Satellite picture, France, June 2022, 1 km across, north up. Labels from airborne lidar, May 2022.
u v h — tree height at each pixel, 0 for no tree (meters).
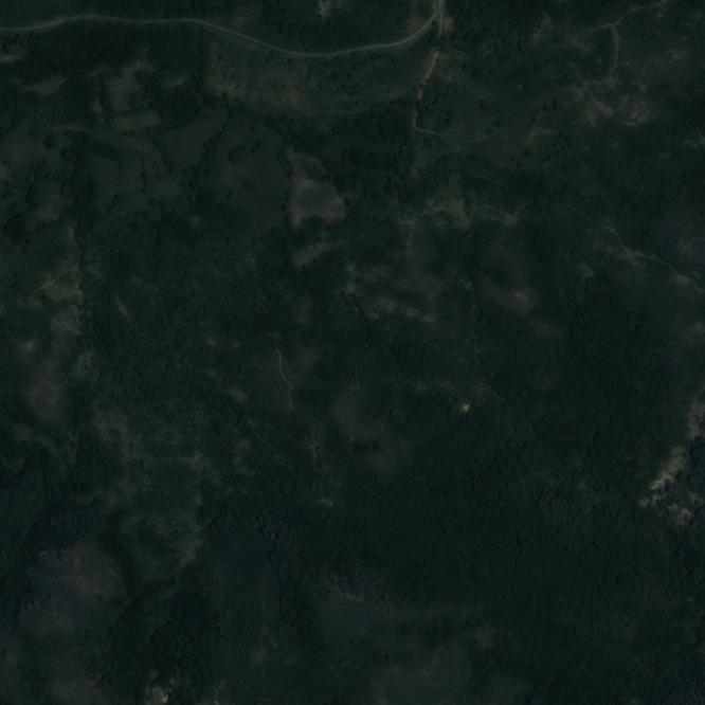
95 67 6
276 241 10
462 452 16
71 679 0
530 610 19
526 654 12
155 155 0
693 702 25
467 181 9
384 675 0
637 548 18
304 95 0
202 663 19
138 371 9
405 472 11
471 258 9
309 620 8
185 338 6
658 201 9
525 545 25
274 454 8
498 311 8
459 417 13
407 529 17
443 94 10
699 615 10
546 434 10
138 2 7
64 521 23
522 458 14
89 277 7
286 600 12
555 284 12
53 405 0
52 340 7
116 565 7
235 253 6
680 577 10
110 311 6
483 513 19
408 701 0
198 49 8
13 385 7
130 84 0
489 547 20
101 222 6
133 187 0
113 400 8
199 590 6
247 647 0
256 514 18
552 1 8
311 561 11
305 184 0
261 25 0
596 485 6
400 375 11
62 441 7
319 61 6
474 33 9
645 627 9
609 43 6
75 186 12
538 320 7
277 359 0
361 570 19
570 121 0
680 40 0
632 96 6
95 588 0
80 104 14
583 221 7
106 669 15
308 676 0
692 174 16
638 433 7
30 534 23
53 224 8
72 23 8
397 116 14
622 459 9
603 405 20
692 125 9
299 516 17
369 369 8
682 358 0
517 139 0
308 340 8
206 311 6
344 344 10
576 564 21
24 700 7
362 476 12
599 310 12
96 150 14
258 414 8
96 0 13
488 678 9
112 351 9
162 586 12
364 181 8
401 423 14
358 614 0
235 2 7
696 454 27
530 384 8
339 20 9
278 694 0
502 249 0
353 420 0
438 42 12
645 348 11
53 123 11
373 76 0
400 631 8
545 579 17
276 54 7
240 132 0
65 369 6
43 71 14
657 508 7
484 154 0
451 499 17
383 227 7
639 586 19
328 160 16
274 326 8
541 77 0
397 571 18
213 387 7
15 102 7
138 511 0
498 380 9
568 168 8
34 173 10
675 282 0
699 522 7
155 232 6
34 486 31
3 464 16
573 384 14
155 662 14
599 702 18
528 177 8
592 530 16
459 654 0
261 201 0
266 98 0
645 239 7
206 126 0
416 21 0
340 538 18
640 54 0
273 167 0
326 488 9
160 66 6
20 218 13
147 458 0
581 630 9
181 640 13
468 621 8
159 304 9
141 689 14
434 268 6
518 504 17
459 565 19
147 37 11
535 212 9
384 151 0
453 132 0
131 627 15
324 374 10
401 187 11
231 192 8
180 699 9
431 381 7
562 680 24
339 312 10
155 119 0
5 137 11
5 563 20
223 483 9
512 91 0
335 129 13
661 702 21
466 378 5
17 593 7
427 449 10
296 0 0
